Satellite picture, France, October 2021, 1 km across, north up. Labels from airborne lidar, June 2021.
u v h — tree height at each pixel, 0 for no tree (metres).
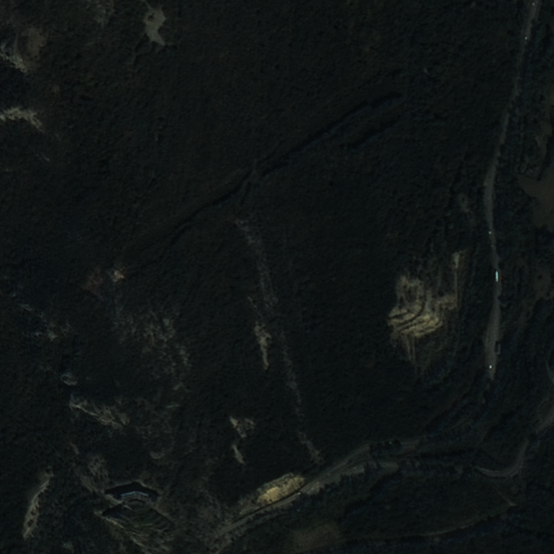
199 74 16
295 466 11
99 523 13
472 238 7
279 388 14
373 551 19
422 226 20
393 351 11
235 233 14
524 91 21
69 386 11
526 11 15
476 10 18
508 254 16
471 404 10
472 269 11
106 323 8
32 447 16
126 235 17
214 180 15
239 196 18
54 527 8
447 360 10
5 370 16
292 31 13
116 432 6
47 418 17
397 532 13
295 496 0
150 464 10
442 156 13
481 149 19
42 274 11
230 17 14
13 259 18
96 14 7
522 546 24
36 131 11
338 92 22
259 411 13
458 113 19
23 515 9
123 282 10
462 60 23
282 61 19
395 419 22
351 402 14
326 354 18
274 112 18
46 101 12
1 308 16
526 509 15
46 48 8
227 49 15
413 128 8
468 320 19
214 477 13
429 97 24
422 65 9
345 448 14
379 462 19
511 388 10
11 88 12
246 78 15
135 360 8
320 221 23
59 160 10
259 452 11
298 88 12
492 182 0
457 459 16
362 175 18
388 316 10
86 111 18
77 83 21
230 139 14
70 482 9
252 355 13
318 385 13
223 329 9
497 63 18
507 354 17
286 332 10
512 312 12
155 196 17
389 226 19
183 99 14
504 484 7
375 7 23
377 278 13
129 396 7
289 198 19
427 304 0
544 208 0
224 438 11
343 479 10
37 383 14
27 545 8
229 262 24
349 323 19
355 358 18
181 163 12
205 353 9
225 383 11
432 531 9
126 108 12
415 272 6
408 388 23
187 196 14
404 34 7
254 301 7
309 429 7
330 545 0
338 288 20
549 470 19
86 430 12
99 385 9
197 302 13
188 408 16
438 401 20
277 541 18
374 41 24
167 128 18
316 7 21
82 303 17
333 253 16
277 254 10
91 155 19
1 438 19
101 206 17
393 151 8
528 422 8
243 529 6
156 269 11
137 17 20
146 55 12
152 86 14
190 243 14
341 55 25
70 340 12
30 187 13
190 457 12
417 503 22
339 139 17
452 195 13
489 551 20
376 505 21
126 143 15
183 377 8
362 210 13
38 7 10
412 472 19
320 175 21
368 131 6
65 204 12
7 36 6
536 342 13
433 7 15
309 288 15
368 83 6
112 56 9
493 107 13
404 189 18
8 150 21
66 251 7
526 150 16
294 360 8
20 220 10
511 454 10
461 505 19
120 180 21
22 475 14
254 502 7
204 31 12
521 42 11
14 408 16
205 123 17
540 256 6
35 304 6
